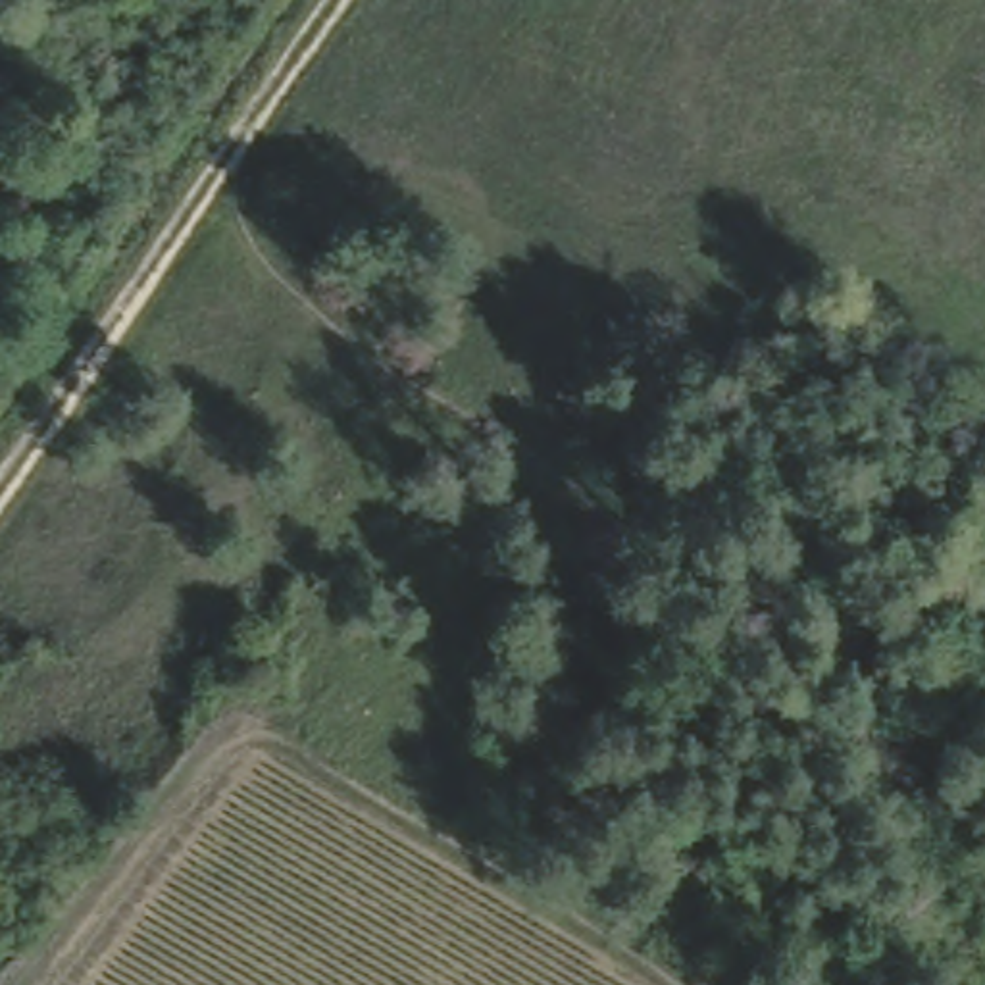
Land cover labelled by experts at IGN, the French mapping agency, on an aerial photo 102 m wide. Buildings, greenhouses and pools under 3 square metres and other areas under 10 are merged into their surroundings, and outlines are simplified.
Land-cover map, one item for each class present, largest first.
<instances>
[{"label":"coniferous trees","instance_id":"1","mask_svg":"<svg viewBox=\"0 0 985 985\"><path fill-rule=\"evenodd\" d=\"M331 242L339 250L323 254L319 269L342 285L362 289L369 300L381 304L377 331L392 335V354L404 358L408 369H381L373 346L346 342L335 331H323L327 366L312 369L296 358L289 369L292 400L335 423L339 439L350 442V450L362 458V477L385 473L412 481L404 512L458 519L462 508L485 500L496 504L504 519L516 527L512 539L496 543V558L516 573V581H523V600L508 608V627L493 639L496 673L473 685V746L462 754L466 781L473 785V827L493 835L500 858L543 904L596 900L589 916H596L600 935L616 939L623 927H635V950L654 954L685 985H750V977L777 973L785 943L796 927L793 912L800 897L839 885L846 904L870 912V920L897 923L904 935L912 923L927 920V912L943 897L939 877L912 850V839L947 820L954 843L966 854L985 850V369H958L943 346H931L916 335L912 316L900 308V292L893 285H873L866 273L850 265L816 269L800 258H789L770 265L762 273L758 319L743 331H712L693 316L685 319V312L677 308L650 300H616L589 316V358H558L550 369V385L569 400L566 412L589 435L600 439L604 458L619 473L631 469V504L619 519L604 523L535 527L531 500L512 493V431L496 419V412L485 408L473 419H466L427 404L435 373L427 366L458 346L469 292L477 289V273L485 269L489 262L481 246L466 242L462 235H439L435 227L404 215H358L331 227ZM192 396L181 385L173 392H154V381L123 342L112 350L81 412L65 419V427L42 454L62 462L77 458V481H104L123 462L158 458L189 427ZM204 500L208 508L235 512V531L212 554L189 550L181 558V573L192 585H235L239 577L262 569V585L254 604L239 608L235 643L215 646L196 666L192 708L185 712L181 727L185 743H192L219 712L231 708H300V681L308 669L304 658H292L289 669L265 673V654H277L281 646V639L273 635V619L285 616L289 581L304 577L316 596H323L331 623L358 619L366 635L400 639L408 646H416L427 635V612L408 577L385 589V562L369 550L358 523H350L339 535L335 550H323L312 527L296 523L265 500L258 473H231Z\"/></svg>","mask_w":985,"mask_h":985},{"label":"herbaceous vegetation","instance_id":"2","mask_svg":"<svg viewBox=\"0 0 985 985\"><path fill-rule=\"evenodd\" d=\"M339 250L331 242V227H308L296 242V254L281 262L273 242H265L250 227V219L239 212V200L223 189L200 219L189 246L181 250V258L169 265L150 304L139 312L123 342L154 381V392H173L181 385L192 396L189 427L158 458L123 462L104 481H77V458L62 462L42 454L31 481L19 489V496L0 519V616H12L19 627L46 619L58 639L54 646L27 643L15 662L0 666V750L46 735H69L92 746L96 739L115 735L123 727L150 723L154 716L162 727H181L185 712L192 708L196 666L215 646L235 643L239 608L254 604L262 585V569L239 577L235 585H192L181 573V558L189 550L212 554L235 531V512L208 508L204 500L231 473H258L265 500L296 523L312 527L323 550H335L339 535L350 523H358L369 550L385 562V589L408 577L427 612V635L416 646H408L400 639L366 635L358 619L331 623L323 596H316L304 577L289 581L285 616L273 619V635L281 639V646L277 654H265V673L289 669L292 658H304L308 669L300 681V708H231L219 712L192 743H185V750L162 773V781L139 793L131 827L115 831L104 858L69 870L54 885H42L38 904L46 912V923L38 931V943L0 970V985H96L108 973V966L131 947L142 920L165 897L169 881L185 870V862L200 858L204 831L215 820H223L227 804H242V785L254 781L258 762L269 758V731L296 735L312 750H323L331 766L350 770L354 777L389 793L400 804L419 808L431 831H446L462 846H485L493 858H500L493 835L473 827V785L466 781L462 754L473 746V685L496 673L493 639L508 627V608L523 600V581H516V573L496 558V543L512 539L516 527L504 519L496 504L485 500L462 508L458 519L404 512L412 481L385 473L362 477V458L350 450V442L339 439L335 423L292 400L289 369L296 358L312 369L327 366L323 331H335L346 342L373 346L381 369H408L404 358L392 354V335L377 331L381 304L369 300L362 289L342 285L319 269L323 254ZM623 285L612 273L566 262L554 246H531L523 258H500V265L485 269L477 273V289L469 292L458 346L427 366L435 373L427 404L466 419H473L485 408L496 412V419L512 431V493L531 500L535 527L604 523L619 519L631 504V469L619 473L604 458L600 439L589 435L566 412L569 400L550 385V369L558 358H589V316L616 300Z\"/></svg>","mask_w":985,"mask_h":985},{"label":"agricultural land","instance_id":"3","mask_svg":"<svg viewBox=\"0 0 985 985\"><path fill-rule=\"evenodd\" d=\"M223 189L239 200V212L250 219V227L265 242H273L281 262L296 254V242L308 227H331L358 215H404L435 227L439 235H462L466 242L481 246L489 262L485 269L500 265V258H523L531 246H554L566 262L612 273L623 285L616 300H650L677 308L685 312V319L693 316L712 331H743L758 319L762 273L770 265L789 258H800L816 269L850 265L866 273L873 285H893L900 292V308L912 316L916 335L931 346H943L958 369H985V0H354L335 35L327 38V46L300 73L269 127L258 139H250L242 165L223 181Z\"/></svg>","mask_w":985,"mask_h":985},{"label":"brushwood","instance_id":"4","mask_svg":"<svg viewBox=\"0 0 985 985\"><path fill-rule=\"evenodd\" d=\"M312 0H0V131L46 127L54 115L77 119L92 108L100 112V165L85 185L108 204L100 212L108 219L104 246L88 250V262L69 281L73 300L100 319L135 273L154 231L169 219L192 173L200 165H212L208 146L227 139L239 100L262 81L273 54L304 19ZM27 643L54 646L58 639L46 619L19 627L12 616H0V666L15 662ZM185 750V743L181 727H162L154 716L150 723L123 727L115 735L96 739L92 746L69 735H46L0 750V970L38 943V931L46 923V912L38 904L42 885H54L69 870L104 858L115 831L131 827L139 793L162 781V773ZM912 850L939 877L943 897L927 912V920L912 923L904 935L897 923L870 920V912L846 904L839 885L800 897L793 912L796 927L785 943L777 973L750 977V985H985V850L966 854L954 843L947 820L912 839Z\"/></svg>","mask_w":985,"mask_h":985},{"label":"vineyard","instance_id":"5","mask_svg":"<svg viewBox=\"0 0 985 985\"><path fill-rule=\"evenodd\" d=\"M596 900L543 904L500 858H493L485 846H462L446 831H431L419 808L400 804L389 793L354 777L350 770L331 766L323 750H312L296 735L269 731V758L258 762L254 781L242 785V804H227L223 820H215L204 831L200 858L185 862V870L169 881L165 897L142 920L131 947L108 966V973L96 985H685L654 954L635 950V927H623L616 939L600 935L596 916H589Z\"/></svg>","mask_w":985,"mask_h":985},{"label":"deciduous trees","instance_id":"6","mask_svg":"<svg viewBox=\"0 0 985 985\"><path fill-rule=\"evenodd\" d=\"M100 112L92 108L77 119L54 115L46 127L0 131V458L15 442V435H38L62 412L58 400H50V392L54 385L73 389L77 362L88 358L92 346L104 339L100 319L73 300L69 281L88 262V250L104 246L108 219L100 212L108 204L85 185L100 165Z\"/></svg>","mask_w":985,"mask_h":985},{"label":"pervious surface","instance_id":"7","mask_svg":"<svg viewBox=\"0 0 985 985\"><path fill-rule=\"evenodd\" d=\"M354 0H312L304 19L273 54L262 81L239 100L227 139L208 146L212 165H200L192 173L169 219L154 231L135 273L100 319L104 339L92 346L88 358L77 362L73 389L54 385L50 392V400H58L62 412L38 435H15V442L0 458V519L19 496V489L31 481L42 454L65 427V419L81 412L112 350L123 342L139 312L150 304L169 265L181 258V250L189 246L200 219L223 189V181L242 165L250 139H258L269 127L300 73L327 46V38L335 35Z\"/></svg>","mask_w":985,"mask_h":985}]
</instances>
